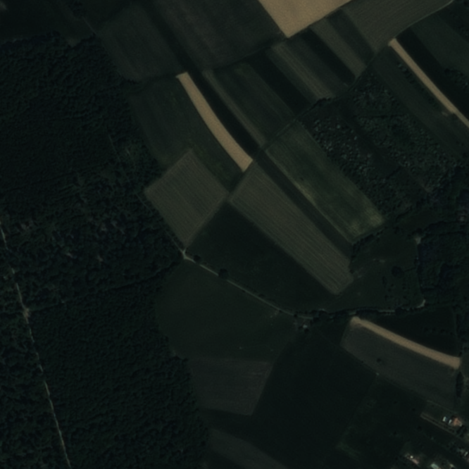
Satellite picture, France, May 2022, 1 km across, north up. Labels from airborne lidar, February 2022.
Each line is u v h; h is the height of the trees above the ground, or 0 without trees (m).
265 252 0
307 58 0
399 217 10
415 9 0
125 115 10
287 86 0
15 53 24
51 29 0
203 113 0
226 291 0
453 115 0
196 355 0
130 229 31
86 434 27
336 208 0
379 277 0
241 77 0
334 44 0
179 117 0
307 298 0
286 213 0
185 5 0
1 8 0
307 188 0
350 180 0
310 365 0
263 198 0
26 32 0
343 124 0
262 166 0
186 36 0
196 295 0
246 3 0
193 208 0
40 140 12
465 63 0
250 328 0
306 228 0
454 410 0
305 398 0
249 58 0
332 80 0
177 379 26
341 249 0
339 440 0
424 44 0
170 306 0
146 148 10
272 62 0
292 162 0
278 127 0
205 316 0
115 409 24
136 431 26
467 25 0
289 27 0
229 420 0
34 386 31
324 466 0
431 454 0
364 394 0
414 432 0
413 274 0
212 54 0
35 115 14
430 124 0
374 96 7
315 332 0
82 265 24
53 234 0
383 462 0
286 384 0
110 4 0
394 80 0
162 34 0
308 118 0
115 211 29
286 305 0
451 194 20
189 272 0
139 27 0
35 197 10
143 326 20
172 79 0
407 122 5
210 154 0
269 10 0
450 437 0
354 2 0
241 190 0
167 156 0
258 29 0
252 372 0
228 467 0
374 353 0
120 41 0
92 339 22
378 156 0
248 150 0
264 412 0
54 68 23
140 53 0
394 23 0
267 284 0
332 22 0
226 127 0
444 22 0
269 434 0
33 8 0
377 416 0
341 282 0
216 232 0
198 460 17
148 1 0
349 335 0
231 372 0
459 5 0
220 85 0
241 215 0
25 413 24
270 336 0
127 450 26
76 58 14
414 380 0
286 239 0
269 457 0
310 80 0
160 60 0
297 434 0
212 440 0
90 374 24
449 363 0
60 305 23
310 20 0
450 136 0
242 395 0
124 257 32
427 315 0
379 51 0
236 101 0
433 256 20
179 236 0
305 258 0
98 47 17
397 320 0
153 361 20
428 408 0
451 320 0
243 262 0
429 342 0
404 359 0
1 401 34
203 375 0
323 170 0
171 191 0
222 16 0
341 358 0
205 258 0
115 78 10
